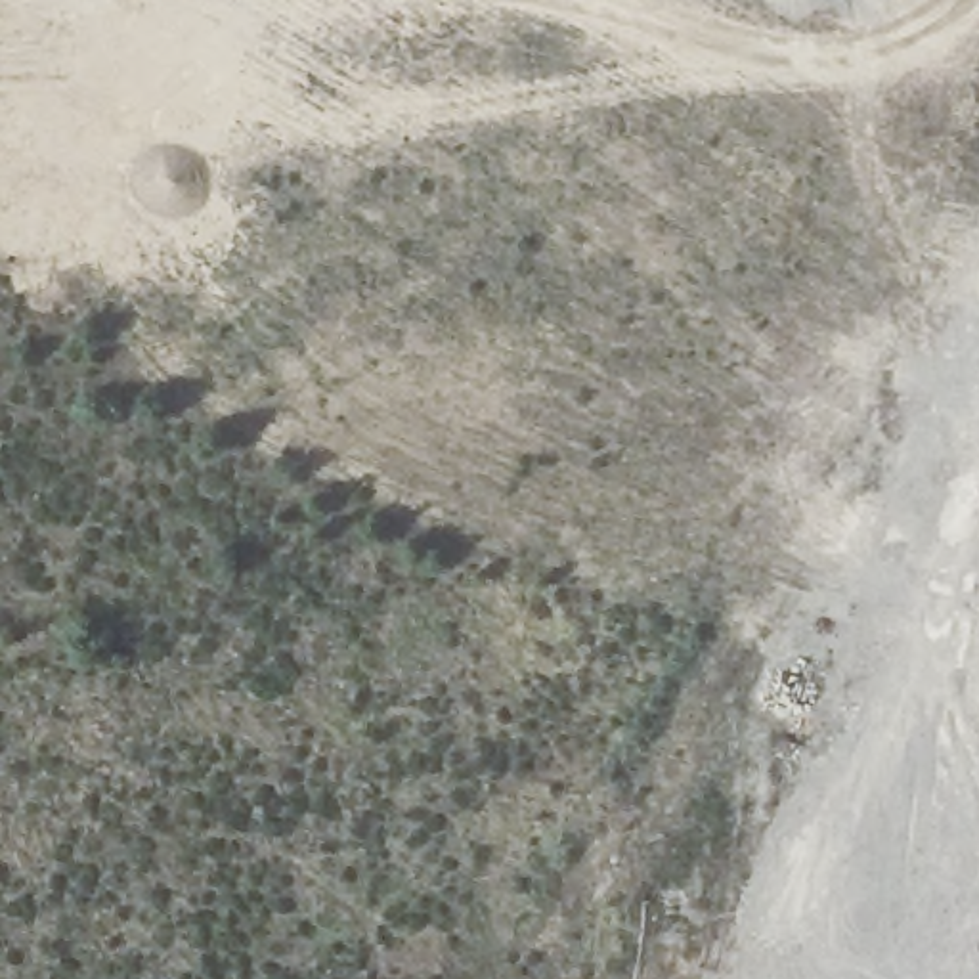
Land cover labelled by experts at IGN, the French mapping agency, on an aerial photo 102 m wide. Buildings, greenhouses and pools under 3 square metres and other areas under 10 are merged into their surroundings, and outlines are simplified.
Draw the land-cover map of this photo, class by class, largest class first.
<instances>
[{"label":"herbaceous vegetation","instance_id":"1","mask_svg":"<svg viewBox=\"0 0 979 979\"><path fill-rule=\"evenodd\" d=\"M440 153L463 164V195L451 187L447 176H428L413 164H382L348 184L344 203H329L298 172H283L275 164L249 168L252 184L272 191L275 218L268 222V233H252L245 241V252L229 249L222 268L214 272L218 283H226V298L176 294L161 287L126 294L99 268L84 264L73 268V275L65 279L54 310L38 314L27 306V294L15 291L11 275H0V979H681L673 968L685 956L711 948L719 933L734 925L742 887L750 883L757 857V845L750 841L753 795H730L734 776H746L753 761L746 750H730V742L746 738L753 688L761 677V654L738 639V631L727 627V616L738 604V597L761 600L765 593H772V570L769 562L719 558V543H730L742 528V509H734L730 516L719 512L723 493L738 486V474L723 467L715 451H746L757 459H772L784 444L788 417L772 413L742 421L738 409L753 405L757 394L742 382L738 371H753L761 379H788L815 352L803 340H795V329L803 321L849 337L860 314H876L887 298H903L899 260H906V245L899 241L883 249L880 229L891 222L887 207L880 214H864V203L857 199L860 191L849 172L841 126V92H692L627 99L616 107H581L570 122H539V111H524L505 122H474L467 141H440ZM317 321H348V337L356 348L371 340L402 348L413 321L421 325V337L428 344L451 340L459 348H474L470 333L482 321L512 329L520 344L539 348V363L528 367L524 359H509L505 379L547 382L543 394L512 398L516 417L532 424L528 436L520 440L509 428L486 421L482 428H463L455 447L447 444L451 424L436 421L432 413H421V428L428 447L436 451V463H417L398 447H379V467L367 478L348 482H325L317 474L325 463L337 459L325 447H287L283 455H260L256 444L222 447V417L241 409L279 413L287 405L275 352L287 348L291 356H298ZM386 505H405L417 512V524L402 539H379L375 532V520ZM440 524L459 528L478 543L455 566H440L432 551H413L421 535ZM61 620H80L88 631L84 669H69L57 650L54 623ZM964 164L956 180V199L979 203V134H956Z\"/></svg>","mask_w":979,"mask_h":979},{"label":"pervious surface","instance_id":"2","mask_svg":"<svg viewBox=\"0 0 979 979\"><path fill-rule=\"evenodd\" d=\"M841 92V126L849 172L860 191L857 199L864 203V214H880L887 207L891 222L880 229L883 249L899 241L906 245V260H899L903 298H887L876 314H860L849 337L803 321L795 329V340H803L815 352L788 379H761L753 371H738L742 382L757 394L753 405L738 409L742 421L772 413L788 417L784 444L772 459H757L746 451H715L723 467L738 474V486L723 493L719 512L730 516L734 509H742V528L730 543H719V558L769 562L772 570V593H765L761 600L738 597V604L727 616V627L738 631V639L761 654V677L753 688L746 738L730 742V750H746L753 761L746 776H734L730 795H753L750 841L757 845V857L750 883L742 887L734 925L719 933L711 948L685 956L673 968L681 979H979V203L956 199V180L964 164L956 134H979V0H0V275H11L15 291L27 294V306L38 314L54 310L65 279L73 275V268L84 264L99 268L126 294L161 287L176 294L226 298V283H218L214 272L222 268L229 249L245 252V241L252 233H268V222L275 218L272 191L252 184L249 168L275 164L283 172H298L329 203H344L348 184L382 164H413L428 176H447L451 187L463 195V164L440 153V141H467L474 122H505L524 111H539V122H570L581 107H616L627 99L692 92ZM348 321H317L298 356H291L287 348L275 352L287 405L279 413L241 409L222 417V447L256 444L260 455H283L287 447H325L337 459L325 463L317 474L325 482H348L367 478L379 467V447H398L417 463H436V451L428 447L421 428V413H432L436 421L451 424L447 444L455 447L463 428H482L486 421L509 428L520 440L528 436L532 424L516 417L512 398L543 394L547 382L505 379L509 359H524L528 367L539 363V348L520 344L512 329L482 321L470 333L474 348H459L451 340L428 344L421 337V325L413 321L402 348L371 340L356 348L348 337Z\"/></svg>","mask_w":979,"mask_h":979},{"label":"brushwood","instance_id":"3","mask_svg":"<svg viewBox=\"0 0 979 979\"><path fill-rule=\"evenodd\" d=\"M417 524V512L405 505H386L375 520V532L379 539H402ZM478 543L459 528L440 524L421 535L413 551H432L440 566H455ZM57 650L69 669H84L88 631L80 620H61L54 623Z\"/></svg>","mask_w":979,"mask_h":979}]
</instances>
